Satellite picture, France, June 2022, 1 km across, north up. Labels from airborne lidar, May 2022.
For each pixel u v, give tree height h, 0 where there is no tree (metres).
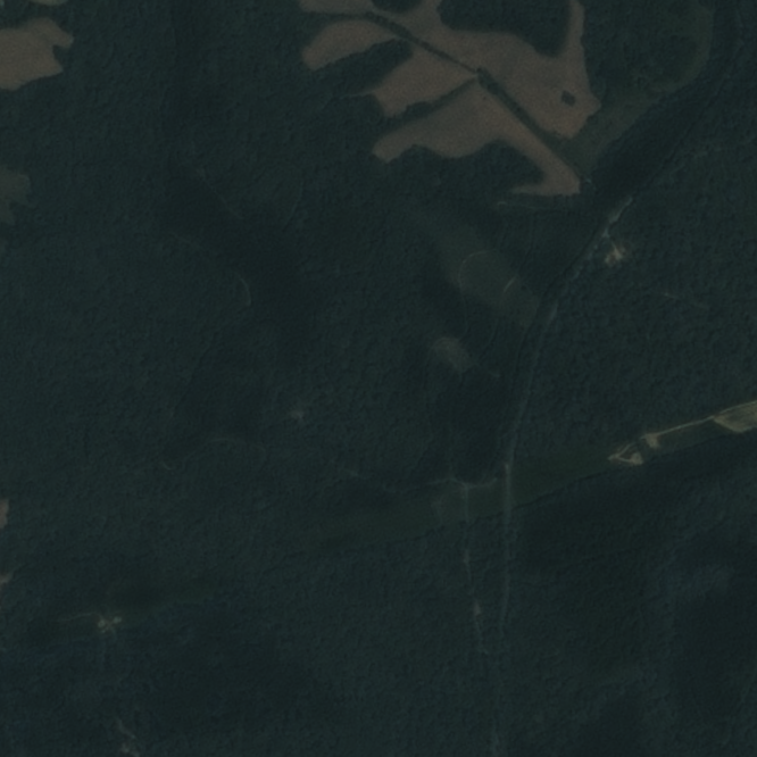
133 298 17
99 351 13
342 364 15
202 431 10
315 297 9
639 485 16
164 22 19
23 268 24
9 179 0
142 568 31
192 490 24
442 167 14
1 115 11
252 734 24
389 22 8
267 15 8
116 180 25
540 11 22
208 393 11
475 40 0
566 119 0
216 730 21
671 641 15
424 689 26
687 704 17
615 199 15
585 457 0
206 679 38
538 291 8
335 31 0
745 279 9
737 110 13
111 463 11
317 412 16
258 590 23
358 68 19
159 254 20
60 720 30
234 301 19
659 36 19
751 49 14
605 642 25
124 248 24
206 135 17
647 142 16
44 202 21
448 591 15
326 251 11
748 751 19
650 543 17
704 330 6
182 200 15
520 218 7
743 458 21
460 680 21
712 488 20
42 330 22
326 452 22
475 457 10
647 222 9
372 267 13
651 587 17
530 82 0
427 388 6
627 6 15
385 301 23
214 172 16
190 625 28
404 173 18
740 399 9
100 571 32
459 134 0
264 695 29
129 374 18
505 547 16
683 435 0
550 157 0
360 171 23
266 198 8
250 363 10
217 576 9
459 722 8
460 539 6
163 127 9
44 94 18
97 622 0
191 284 22
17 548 19
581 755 21
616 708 22
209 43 11
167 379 25
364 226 8
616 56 19
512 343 10
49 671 32
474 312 6
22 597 19
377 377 12
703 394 23
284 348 12
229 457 22
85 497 18
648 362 10
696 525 17
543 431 14
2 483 14
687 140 16
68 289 25
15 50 0
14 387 25
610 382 19
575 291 14
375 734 21
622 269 11
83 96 19
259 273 14
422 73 0
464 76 0
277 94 22
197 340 23
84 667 27
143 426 7
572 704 9
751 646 13
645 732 13
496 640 16
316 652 20
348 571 15
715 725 7
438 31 0
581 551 25
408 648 9
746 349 14
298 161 7
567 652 16
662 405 14
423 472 11
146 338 13
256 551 13
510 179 17
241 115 21
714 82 18
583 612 29
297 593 13
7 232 18
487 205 6
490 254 0
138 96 18
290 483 12
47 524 18
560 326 6
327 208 20
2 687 34
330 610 19
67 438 19
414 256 15
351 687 25
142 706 31
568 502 18
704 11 0
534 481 0
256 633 32
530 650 22
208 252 7
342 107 20
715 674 12
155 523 15
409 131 0
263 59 27
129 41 23
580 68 0
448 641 12
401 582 15
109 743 18
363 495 8
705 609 20
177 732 23
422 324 7
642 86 8
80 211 24
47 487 25
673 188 18
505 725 14
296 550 14
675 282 20
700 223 21
